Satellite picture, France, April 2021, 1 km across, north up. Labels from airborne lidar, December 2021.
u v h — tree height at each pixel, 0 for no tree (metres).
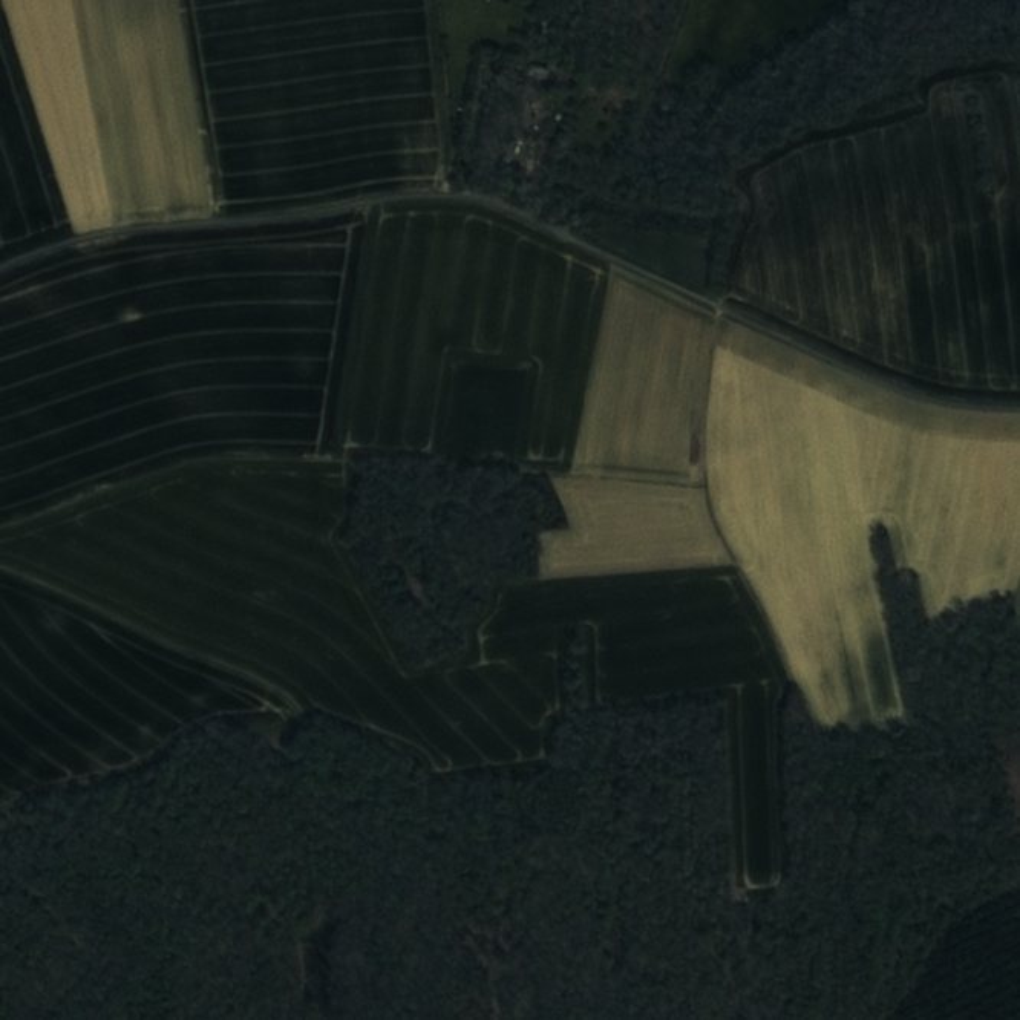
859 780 22
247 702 0
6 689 0
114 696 0
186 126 0
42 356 0
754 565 0
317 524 0
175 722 0
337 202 0
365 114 0
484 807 26
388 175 0
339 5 0
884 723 0
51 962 25
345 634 0
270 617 0
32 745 0
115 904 18
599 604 0
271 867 27
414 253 0
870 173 0
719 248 18
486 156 23
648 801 24
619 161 25
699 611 0
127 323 0
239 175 0
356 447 0
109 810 30
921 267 0
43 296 0
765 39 0
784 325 0
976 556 0
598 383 0
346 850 29
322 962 0
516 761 0
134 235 0
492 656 0
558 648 0
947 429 0
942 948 10
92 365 0
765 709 0
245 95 0
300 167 0
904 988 22
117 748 0
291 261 0
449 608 29
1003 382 0
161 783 28
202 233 0
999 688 25
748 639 0
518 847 28
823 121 21
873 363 0
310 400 0
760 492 0
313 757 29
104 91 0
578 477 0
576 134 10
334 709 0
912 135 0
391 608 23
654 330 0
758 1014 27
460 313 0
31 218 0
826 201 0
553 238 0
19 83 0
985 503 0
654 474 0
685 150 26
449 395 0
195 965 27
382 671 0
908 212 0
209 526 0
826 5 0
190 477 0
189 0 0
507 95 20
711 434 0
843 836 24
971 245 0
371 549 22
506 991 31
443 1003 30
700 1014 20
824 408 0
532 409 0
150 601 0
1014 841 13
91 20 0
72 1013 23
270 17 0
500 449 0
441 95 0
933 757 13
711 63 22
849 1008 22
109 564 0
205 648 0
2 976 28
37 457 0
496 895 26
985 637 15
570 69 23
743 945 25
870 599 0
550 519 6
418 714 0
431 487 24
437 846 27
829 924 21
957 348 0
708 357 0
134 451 0
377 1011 29
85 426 0
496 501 26
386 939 22
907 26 26
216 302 0
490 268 0
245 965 26
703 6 0
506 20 0
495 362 0
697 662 0
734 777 19
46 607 0
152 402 0
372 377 0
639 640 0
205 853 26
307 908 25
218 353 0
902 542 0
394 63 0
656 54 25
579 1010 29
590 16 23
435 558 28
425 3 0
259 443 0
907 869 14
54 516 0
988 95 0
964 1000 9
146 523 0
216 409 0
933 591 0
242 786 27
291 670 0
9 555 0
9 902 25
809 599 0
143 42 0
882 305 0
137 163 0
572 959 30
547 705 0
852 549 0
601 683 0
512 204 17
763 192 0
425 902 32
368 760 25
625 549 0
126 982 23
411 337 0
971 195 0
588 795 25
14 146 0
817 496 0
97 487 0
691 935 19
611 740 28
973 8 17
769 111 11
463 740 0
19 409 0
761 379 0
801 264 0
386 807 31
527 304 0
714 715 21
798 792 24
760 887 0
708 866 20
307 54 0
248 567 0
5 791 0
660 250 0
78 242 0
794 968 27
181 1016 22
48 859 29
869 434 0
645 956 28
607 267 0
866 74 22
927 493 0
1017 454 0
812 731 21
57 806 28
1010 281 0
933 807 23
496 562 22
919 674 26
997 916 11
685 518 0
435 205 0
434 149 0
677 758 19
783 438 0
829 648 0
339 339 0
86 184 0
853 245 0
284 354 0
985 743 23
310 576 0
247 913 19
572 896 27
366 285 0
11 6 0
